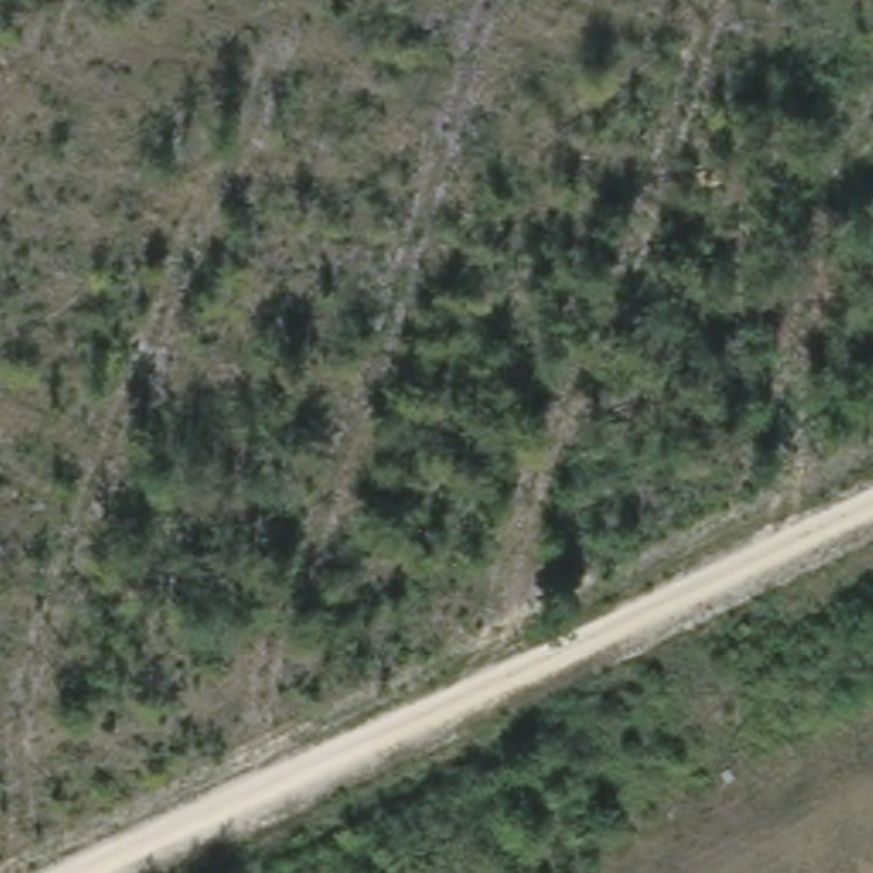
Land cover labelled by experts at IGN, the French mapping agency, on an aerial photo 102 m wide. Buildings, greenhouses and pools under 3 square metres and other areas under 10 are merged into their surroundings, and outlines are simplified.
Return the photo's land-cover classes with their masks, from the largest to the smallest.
<instances>
[{"label":"coniferous trees","instance_id":"1","mask_svg":"<svg viewBox=\"0 0 873 873\"><path fill-rule=\"evenodd\" d=\"M863 34H873V0H0V593L27 590L34 593V604L65 607L68 621L89 624L92 610L82 587L65 583L61 573H85V563L92 559V532L102 522V512L116 505V491L133 488L130 481H123V471L130 467V379L136 361H153L157 406L171 389L184 392L188 382H232L249 375L269 379L273 365L280 361H304V385L327 389L331 440L290 450L276 440H259L263 474H256L252 481H235L232 494H218V505H228L232 512H246L249 505L280 508L304 525V532L314 542H331L338 525L351 532V525L361 515V501L355 498V477L361 460L372 454L375 423L368 385L382 379L396 361L406 310L416 304L419 280L426 273H437L440 263L454 252V232L440 228L433 215L440 205L467 198L474 188V174L488 171V164H552V143H566L580 153V160H604L607 167H621L624 160H648L651 184L638 191L627 232L617 246L631 252L634 269H641L648 259V242L658 232V211L665 208L668 188L696 184V167L706 157H713V133L723 130V113L709 102L713 78H733V61L760 44L808 48L815 61H829L839 48L853 44ZM65 726V740H92L102 730L92 720H78L75 713L58 716ZM133 747L147 754L150 774H167V767L188 750H198L205 760H225V733L211 720L188 716L181 720L171 740H153L143 733L133 737Z\"/></svg>","mask_w":873,"mask_h":873},{"label":"deciduous trees","instance_id":"2","mask_svg":"<svg viewBox=\"0 0 873 873\"><path fill-rule=\"evenodd\" d=\"M709 102L723 113V130L713 133V157H706L696 167V184L668 188L665 208L658 211V232L648 242V259L641 269H634L631 252L617 246L627 232L638 191L651 184L648 160H624L621 167H607L604 160H580V153L566 143H552V164H488V171L474 174V188L467 198L440 205L433 215L440 228L454 232V252L440 263L437 273H426L419 280L416 304L406 310L396 361L382 379L368 385L375 423L372 454L361 460L355 477V498L361 501V515L351 525V532L338 525L331 542H314L304 532V525L280 508L249 505L246 512H232L228 505H218V494H232L235 481H252L256 474H263L259 440H276L290 450L331 440L327 389L304 385V361H280L273 365L269 379L249 375L232 382H188L184 392L171 389L157 406L153 361H136L130 379V467L123 471V481H130L133 488L116 491V505L102 512V522L92 532V559L85 563V573H61L65 583L82 587L92 610L89 624L68 621L58 634V645L51 648L58 716L75 713L78 720H92L102 730H116L119 720L136 716L143 702H177L181 692L201 685V679L215 682L218 672L232 668L235 655L256 648V638L276 645L290 638L293 645L321 655L314 672H300L280 682V696L304 692L307 699H321V682L338 679L344 692L361 682H379V696H389V679L406 662L430 658L447 645L440 634H433L423 645H409L406 634L413 627H423V621L433 610V597L454 593L460 580H481V569L488 566L484 539H494V529L505 522L512 508V491L518 481L515 457L522 450L546 447V413L552 402L563 406L576 396H587V413H580L576 437L563 447V457L546 491V505L573 515L583 546V569L597 573L600 580H614V569L621 563L638 556L651 542H662L689 529L702 515L726 512L737 501H750L760 491H771L774 477L781 474L778 447L791 454H812L815 460H829L839 443L873 437V34H863L853 44L839 48L829 61H815L808 48L760 44L733 61V78H713ZM587 621L580 614L576 590L563 597L542 593V610L522 624L525 641L532 648L566 638Z\"/></svg>","mask_w":873,"mask_h":873},{"label":"herbaceous vegetation","instance_id":"3","mask_svg":"<svg viewBox=\"0 0 873 873\"><path fill-rule=\"evenodd\" d=\"M580 413H587V396H576L563 406L552 402L546 413V447L522 450L515 457L518 481L512 491V508L505 522L494 529V539H484L488 566L481 569V580H460L454 593L433 597V610L423 621V627H413L406 634L409 645H423L433 634H440L447 645L430 658L406 662L389 679V696H379V682H361L344 692L338 679L321 682V699H307L304 692L280 696V682L300 672H314L321 655L293 645L290 638L276 645L256 638V648L235 655L232 668L218 672L215 682L201 679V685L181 692L177 702H143L136 716L119 720L116 730H102L92 740H65V726L58 716L51 648L58 645V634L68 621L65 607L34 604V593L27 590L0 593V873H41L106 839L147 825L181 805H191L222 784L276 767L280 760L304 754L307 747L358 730L361 723L382 713L416 702L437 689L454 685L464 675L508 662L532 648L525 641L522 624L542 610V593L563 597L576 590L580 614L587 621H597L617 604L645 597L655 587L682 573H692L696 566L723 552L740 549L760 529L784 525L788 518L818 512L873 484V437L839 443L829 460H815L812 454H791L778 447L781 474L774 477L771 491H760L750 501H737L726 512L702 515L689 529L662 542H651L638 556L621 563L614 569V580H600L597 573L583 569V546L573 515L546 505V491L563 457V447L576 437ZM188 716L211 720L225 733V760H205L198 750H188L167 767V774H150L147 754L133 747V737L143 733L153 740H171L181 720ZM866 539H873V522L771 569L764 576L767 587L788 583L798 573L825 566L835 556L859 549L866 546ZM733 607L730 597L702 600L692 610L665 621L662 627L624 638L597 655L607 665L641 658L662 638L713 621ZM723 781L702 801H692L679 788L672 795V805L658 812L651 825L617 832V846H597L600 873H873V709L853 716L839 733H812L808 740L778 747V757L767 767H754L743 757L740 764L720 774Z\"/></svg>","mask_w":873,"mask_h":873},{"label":"brushwood","instance_id":"4","mask_svg":"<svg viewBox=\"0 0 873 873\"><path fill-rule=\"evenodd\" d=\"M873 709V539H866V546L859 549L835 556L825 566L798 573L788 583L767 587L747 597L740 607H733L713 621L662 638L641 658L607 665L597 655L505 696L491 709L471 713L460 723L440 726L416 743L389 750L375 767L341 778L317 798H286L269 815H263L259 829L252 832H242L235 839L218 832L215 839L191 846L184 856L171 863L147 859L140 873H600L597 846H617V832L651 825L658 812L672 805V795L679 788L692 801H702L723 781L720 774L740 764L743 757L754 767H767L778 757V747L808 740L812 733H839L853 716Z\"/></svg>","mask_w":873,"mask_h":873},{"label":"pervious surface","instance_id":"5","mask_svg":"<svg viewBox=\"0 0 873 873\"><path fill-rule=\"evenodd\" d=\"M873 522V484L818 512L788 518L784 525L760 529L740 549L723 552L696 566L692 573H682L655 587L645 597L617 604L597 621H587L566 638L532 648L508 662L464 675L454 685L437 689L416 702L382 713L361 723L358 730L307 747L304 754L280 760L276 767L222 784L191 805H181L147 825L106 839L41 873H140L147 859L171 863L184 856L191 846L215 839L218 832L235 839L242 832H252L259 829L263 815H269L286 798H317L341 778L375 767L389 750L416 743L440 726L460 723L471 713L491 709L505 696L597 655L624 638L662 627L665 621L692 610L702 600L730 597L733 607H740L747 597L767 587L764 576L771 569Z\"/></svg>","mask_w":873,"mask_h":873}]
</instances>
